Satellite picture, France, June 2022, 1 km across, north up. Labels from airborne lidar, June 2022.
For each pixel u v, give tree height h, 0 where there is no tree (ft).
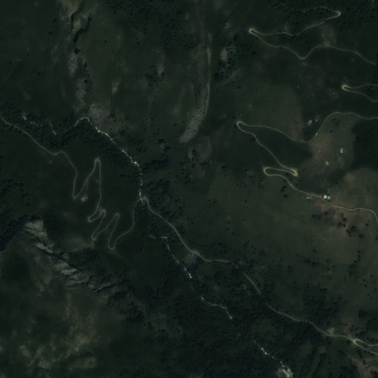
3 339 0
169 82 0
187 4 0
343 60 0
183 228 25
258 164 0
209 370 28
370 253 0
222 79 51
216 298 25
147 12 38
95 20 0
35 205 0
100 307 0
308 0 35
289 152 0
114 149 51
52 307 0
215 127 0
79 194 0
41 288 0
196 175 0
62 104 0
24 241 0
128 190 0
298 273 0
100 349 0
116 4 38
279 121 0
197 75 0
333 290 0
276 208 0
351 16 50
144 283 0
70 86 0
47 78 0
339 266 0
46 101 0
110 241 0
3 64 0
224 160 0
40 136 36
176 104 0
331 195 0
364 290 0
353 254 0
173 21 36
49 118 0
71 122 33
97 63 0
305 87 0
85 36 0
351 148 0
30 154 0
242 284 40
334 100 0
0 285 0
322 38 0
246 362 26
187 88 0
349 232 27
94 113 0
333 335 0
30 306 0
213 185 0
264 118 0
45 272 0
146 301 22
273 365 34
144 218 33
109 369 0
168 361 42
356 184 0
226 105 0
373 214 0
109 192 0
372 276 35
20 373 0
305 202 0
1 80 0
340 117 0
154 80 34
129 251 0
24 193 21
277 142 0
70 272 0
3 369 0
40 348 0
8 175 0
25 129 25
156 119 0
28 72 0
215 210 0
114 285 51
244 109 0
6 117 28
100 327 0
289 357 50
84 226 0
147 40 0
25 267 21
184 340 31
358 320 0
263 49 0
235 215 0
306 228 0
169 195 42
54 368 0
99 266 22
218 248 22
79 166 0
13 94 0
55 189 0
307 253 0
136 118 0
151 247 0
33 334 0
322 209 0
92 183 0
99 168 0
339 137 0
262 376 41
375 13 52
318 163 0
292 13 36
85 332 0
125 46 0
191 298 23
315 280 0
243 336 45
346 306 0
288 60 0
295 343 51
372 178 0
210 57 0
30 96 0
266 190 0
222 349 29
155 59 0
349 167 0
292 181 26
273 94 0
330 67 0
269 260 0
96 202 0
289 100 0
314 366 0
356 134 0
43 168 0
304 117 0
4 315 0
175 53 0
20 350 0
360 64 0
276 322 37
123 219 0
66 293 0
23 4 0
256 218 0
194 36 0
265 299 19
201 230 0
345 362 0
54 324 0
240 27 0
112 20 0
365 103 0
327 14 37
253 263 39
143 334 0
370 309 0
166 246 35
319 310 61
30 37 0
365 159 0
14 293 0
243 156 0
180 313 43
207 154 0
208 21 0
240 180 0
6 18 0
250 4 0
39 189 0
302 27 19
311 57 0
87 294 0
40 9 0
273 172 0
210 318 33
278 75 0
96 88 0
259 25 0
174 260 30
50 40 0
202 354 25
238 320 47
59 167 0
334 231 0
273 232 0
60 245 26
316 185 0
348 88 0
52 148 38
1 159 51
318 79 0
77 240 0
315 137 0
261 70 0
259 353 38
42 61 0
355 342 0
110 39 0
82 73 0
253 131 0
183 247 22
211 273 0
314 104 0
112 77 0
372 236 0
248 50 35
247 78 0
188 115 0
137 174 33
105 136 18
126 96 0
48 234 22
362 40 0
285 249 0
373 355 29
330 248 0
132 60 0
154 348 0
